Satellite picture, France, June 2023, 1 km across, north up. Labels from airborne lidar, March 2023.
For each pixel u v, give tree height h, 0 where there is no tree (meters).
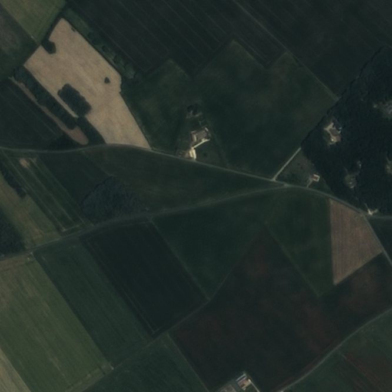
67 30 0
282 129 0
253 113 0
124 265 0
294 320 0
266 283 0
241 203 0
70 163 0
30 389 0
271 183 0
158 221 0
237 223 0
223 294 0
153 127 0
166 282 0
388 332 0
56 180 0
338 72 0
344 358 0
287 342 0
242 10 0
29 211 0
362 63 0
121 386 0
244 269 0
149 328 0
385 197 24
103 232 0
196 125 0
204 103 0
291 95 0
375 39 0
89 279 0
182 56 0
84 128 16
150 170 0
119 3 0
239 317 0
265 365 0
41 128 0
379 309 0
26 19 0
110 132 0
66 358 0
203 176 0
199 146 0
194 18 0
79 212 0
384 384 0
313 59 0
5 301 0
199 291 0
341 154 24
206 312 0
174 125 0
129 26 0
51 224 0
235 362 0
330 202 0
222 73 0
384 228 0
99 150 0
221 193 0
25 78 18
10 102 0
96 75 0
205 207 0
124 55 0
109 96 0
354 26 0
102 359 0
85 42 0
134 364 0
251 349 0
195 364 0
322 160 22
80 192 0
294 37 0
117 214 20
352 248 0
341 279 0
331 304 0
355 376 0
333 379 0
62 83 0
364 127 18
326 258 0
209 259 0
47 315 0
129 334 0
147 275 0
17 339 0
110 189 23
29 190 0
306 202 0
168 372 0
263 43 0
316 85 0
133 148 0
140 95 0
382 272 0
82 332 0
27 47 0
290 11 0
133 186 0
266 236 0
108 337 0
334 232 0
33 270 0
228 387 0
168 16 0
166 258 0
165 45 0
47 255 0
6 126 0
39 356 0
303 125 0
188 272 0
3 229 22
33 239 0
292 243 0
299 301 0
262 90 0
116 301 0
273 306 0
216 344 0
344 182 24
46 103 17
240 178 0
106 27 0
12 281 0
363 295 0
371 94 21
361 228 0
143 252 0
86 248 0
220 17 0
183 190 0
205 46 0
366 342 0
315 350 0
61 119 11
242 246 0
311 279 0
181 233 0
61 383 0
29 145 0
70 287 0
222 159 0
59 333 0
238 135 0
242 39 0
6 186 0
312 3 0
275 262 0
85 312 0
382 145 21
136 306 0
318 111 0
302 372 0
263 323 0
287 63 0
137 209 19
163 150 0
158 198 0
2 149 0
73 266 0
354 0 0
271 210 0
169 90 0
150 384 0
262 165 0
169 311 0
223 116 0
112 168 0
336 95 0
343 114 23
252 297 0
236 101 0
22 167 0
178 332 0
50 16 0
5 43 0
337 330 0
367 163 19
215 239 0
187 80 0
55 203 0
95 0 0
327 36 0
